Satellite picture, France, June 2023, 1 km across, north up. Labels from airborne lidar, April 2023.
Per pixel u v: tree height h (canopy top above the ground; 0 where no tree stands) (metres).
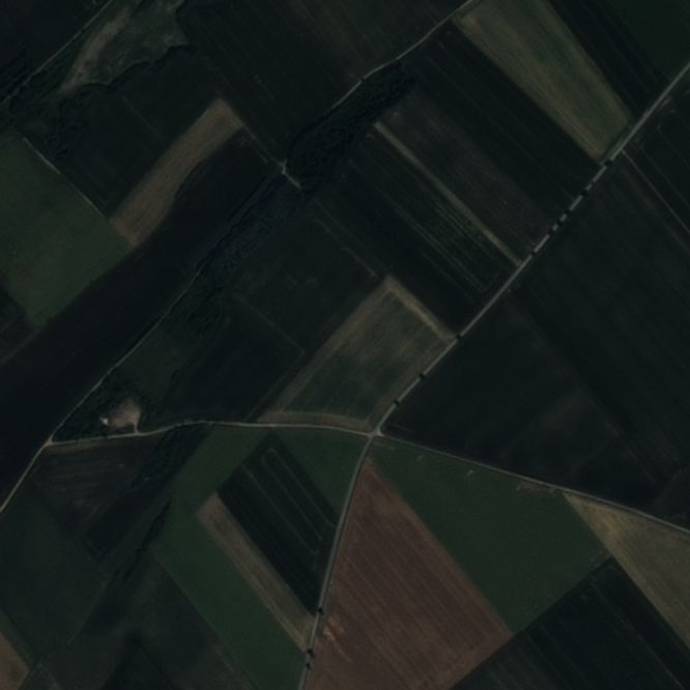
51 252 0
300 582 0
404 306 0
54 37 0
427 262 0
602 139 0
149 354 0
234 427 0
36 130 0
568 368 0
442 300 0
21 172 0
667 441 0
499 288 0
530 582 0
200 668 0
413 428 0
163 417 0
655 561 0
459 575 0
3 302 0
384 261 0
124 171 0
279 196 16
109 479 0
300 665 0
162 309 0
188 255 0
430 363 0
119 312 0
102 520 0
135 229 0
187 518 0
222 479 0
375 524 0
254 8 0
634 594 0
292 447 0
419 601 0
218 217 0
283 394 0
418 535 0
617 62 0
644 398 0
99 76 0
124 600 0
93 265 0
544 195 0
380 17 0
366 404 0
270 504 0
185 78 0
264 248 0
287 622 0
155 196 0
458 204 0
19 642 0
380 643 0
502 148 0
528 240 0
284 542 0
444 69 0
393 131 0
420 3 0
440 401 0
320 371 0
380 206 0
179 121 0
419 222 0
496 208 0
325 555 0
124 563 0
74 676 0
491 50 0
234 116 0
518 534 0
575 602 0
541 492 0
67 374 0
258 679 0
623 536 0
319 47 0
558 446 0
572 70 0
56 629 0
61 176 0
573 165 0
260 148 0
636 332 0
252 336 0
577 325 0
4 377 0
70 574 0
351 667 0
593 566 0
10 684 0
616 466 0
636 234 0
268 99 0
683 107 0
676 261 0
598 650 0
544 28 0
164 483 0
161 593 0
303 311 0
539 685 0
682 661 0
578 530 0
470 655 0
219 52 0
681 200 0
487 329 0
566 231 0
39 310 0
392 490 0
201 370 0
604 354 0
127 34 0
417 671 0
